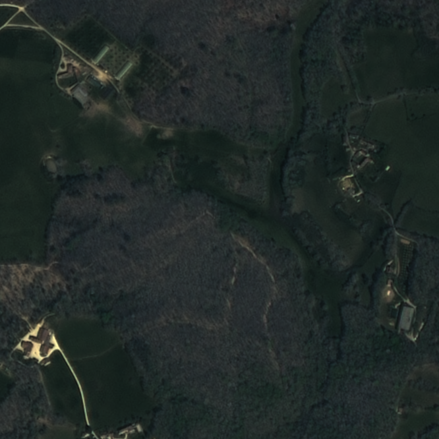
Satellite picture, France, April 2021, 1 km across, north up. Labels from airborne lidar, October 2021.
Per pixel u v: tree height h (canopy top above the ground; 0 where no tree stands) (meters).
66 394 0
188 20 15
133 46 11
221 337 20
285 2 16
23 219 0
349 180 0
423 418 0
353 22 18
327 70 17
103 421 0
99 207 14
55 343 0
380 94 0
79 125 0
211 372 16
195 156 0
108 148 0
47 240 16
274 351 17
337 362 12
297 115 0
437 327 18
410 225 0
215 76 18
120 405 0
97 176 12
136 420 11
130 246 15
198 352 21
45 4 13
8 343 14
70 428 0
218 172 18
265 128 16
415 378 0
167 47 19
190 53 18
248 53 14
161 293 15
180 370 20
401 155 0
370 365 20
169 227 14
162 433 24
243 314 15
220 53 17
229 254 14
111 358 0
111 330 21
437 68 0
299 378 23
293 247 0
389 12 24
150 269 19
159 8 10
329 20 20
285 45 25
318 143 0
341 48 16
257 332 18
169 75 7
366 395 15
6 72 0
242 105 20
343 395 17
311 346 23
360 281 0
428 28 21
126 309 14
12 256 0
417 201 0
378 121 0
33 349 0
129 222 17
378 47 0
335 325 0
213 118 17
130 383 8
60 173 13
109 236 22
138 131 0
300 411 22
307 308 22
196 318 21
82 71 0
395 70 0
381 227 0
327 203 0
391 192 0
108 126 0
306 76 25
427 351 17
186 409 30
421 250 20
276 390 20
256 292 16
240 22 9
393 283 9
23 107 0
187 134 0
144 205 22
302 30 0
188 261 16
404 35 0
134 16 23
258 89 17
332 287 0
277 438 19
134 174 0
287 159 11
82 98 0
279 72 26
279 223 0
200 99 20
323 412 18
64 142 0
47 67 0
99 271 19
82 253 17
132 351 23
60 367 0
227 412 21
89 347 0
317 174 0
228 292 14
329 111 0
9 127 0
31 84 0
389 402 18
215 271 17
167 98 12
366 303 0
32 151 0
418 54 10
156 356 22
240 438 18
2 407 19
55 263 7
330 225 0
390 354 17
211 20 17
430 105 0
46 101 0
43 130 0
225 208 22
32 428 21
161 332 21
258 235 16
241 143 15
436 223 0
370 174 0
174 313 18
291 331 14
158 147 0
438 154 0
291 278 20
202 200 18
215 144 0
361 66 0
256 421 11
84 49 7
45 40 6
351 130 9
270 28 7
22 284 18
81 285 23
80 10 14
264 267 15
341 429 23
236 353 19
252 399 22
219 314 16
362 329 20
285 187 12
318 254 10
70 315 17
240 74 17
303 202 0
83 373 0
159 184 21
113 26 12
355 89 15
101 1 21
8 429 21
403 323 0
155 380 23
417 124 0
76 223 8
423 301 18
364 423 21
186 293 17
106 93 0
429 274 23
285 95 21
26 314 21
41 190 0
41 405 22
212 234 18
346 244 0
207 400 23
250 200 6
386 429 15
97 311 12
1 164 0
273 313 14
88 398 0
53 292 19
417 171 0
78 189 26
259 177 19
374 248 17
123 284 15
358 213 0
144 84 8
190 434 23
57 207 24
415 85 0
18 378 20
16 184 0
